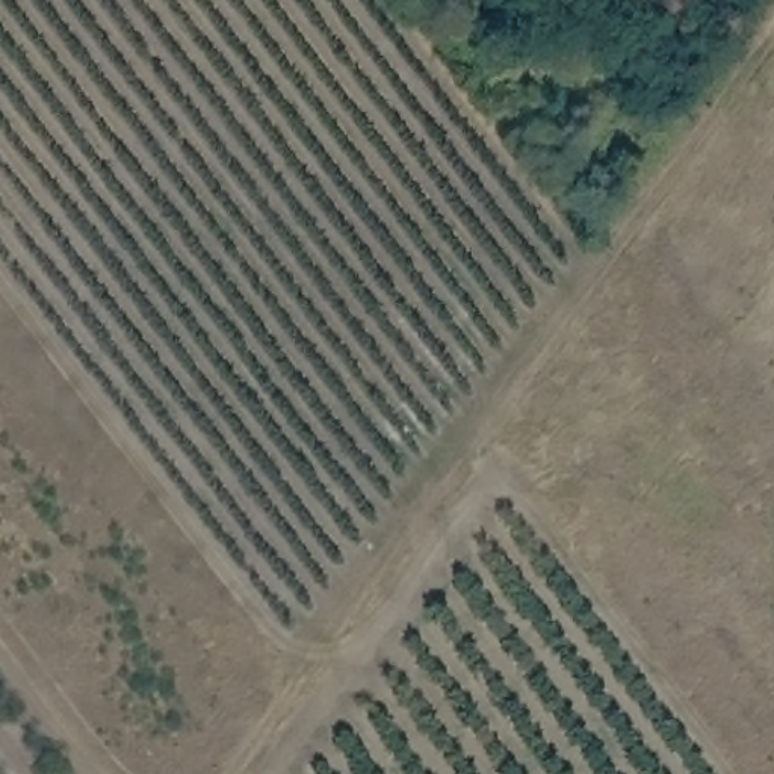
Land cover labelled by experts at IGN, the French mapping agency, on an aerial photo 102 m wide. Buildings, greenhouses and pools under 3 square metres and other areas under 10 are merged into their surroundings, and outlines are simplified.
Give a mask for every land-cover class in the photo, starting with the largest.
<instances>
[{"label":"agricultural land","instance_id":"1","mask_svg":"<svg viewBox=\"0 0 774 774\"><path fill-rule=\"evenodd\" d=\"M695 124L680 133V139L668 148V154L653 172L644 175L638 169L635 190H629L623 215L611 224V245L593 254L568 302L538 333L541 348L517 372L514 384L496 393V405L481 417L478 432L469 441V493L447 511V526L457 535L475 532L478 529L481 508L496 505V499L514 502V508L550 547L559 565L577 581V590L593 602L596 617L617 635L620 647L632 656V665L647 677L656 698L686 726V735L701 747L704 762L717 774H774V6L768 9L765 21L750 39L744 57L726 73V79L714 82L711 106H695ZM79 381L63 378L51 366L36 333H30L18 317H12L0 305V683L24 701V711L12 723L0 726V774H33V753L24 747L21 735L24 723H36L42 735L63 744V753L70 756L76 774H221L227 753L236 750L242 735L248 732V720H257L266 711L269 698L290 680H296L299 674H311L314 662L278 647L266 650V638L248 617V608L230 596V590L209 568L203 550H197L184 538V532L163 508L160 490L154 487L151 475L139 472L127 450H121L103 432L94 411L79 396ZM39 478H48L54 484L60 523L67 526V532L88 535L79 547L60 544L51 526L27 502L24 490ZM109 523H121L124 544L142 550V581L148 584V593L136 605L139 632L148 647L163 653L166 665L175 674V689L181 692L187 714L203 720L200 732L175 729L163 738H151L148 729H139V723H124L121 704H112V695L100 692L103 683L118 674L121 656L130 647L127 641H112L109 653L97 650L109 602L85 587V556L94 547L109 544ZM360 704L354 701V692L339 695L336 714L327 704H314V735L308 738L293 723L278 738V744L263 747L254 756L245 774H339L330 765V759L339 753L336 741L333 726L348 723Z\"/></svg>","mask_w":774,"mask_h":774},{"label":"deciduous trees","instance_id":"2","mask_svg":"<svg viewBox=\"0 0 774 774\"><path fill-rule=\"evenodd\" d=\"M9 12L21 24V30L33 39L42 57L51 63V70L73 91L79 106L88 112V118L97 124L100 136L115 148L124 166L133 172V178L172 221L187 248L203 260L218 287L230 296V302L245 314L260 345L296 384L305 402L314 408V414L324 420V426L366 472V478L387 496L390 481L378 472L369 454L357 447L354 435L317 396L311 381L290 363L278 339L266 330L263 317L242 296L227 269L209 254V248L187 224V218L145 172L139 157L127 148V142L106 124L94 100L60 63L57 51L36 30L27 12L18 6V0H0V15ZM36 9L57 30V36L67 42L73 57L88 70L94 85L133 127V133L151 151L157 166L187 197V203L197 209V215L206 221L215 239L227 248V254L239 263L251 287L263 296V302L272 308V314L296 342V348L311 360L320 378L333 387V393L342 399V405L351 411V417L360 423V429L372 438V444L390 460L396 472L405 469V460L396 450V444L372 423V417L351 396L339 372L327 363L314 342L293 324L290 311L278 302V296L269 290L260 272L245 260L233 236L218 224L215 212L206 209L190 181L169 160V154L142 124L133 106L106 79V73L97 67L91 51L70 30V24L60 18L51 0H33ZM70 9L82 18V24L94 33L100 48L109 54V60L118 67V73L127 79V85L145 100L151 115L163 124V130L172 136L181 154L203 175L215 200L230 212V218L242 227V233L251 239L260 257L281 278L287 293L302 305L317 333L348 363L357 384L372 396L378 411L399 429V438L408 450H417L414 423H408L387 402L384 390L375 381H369L351 348L327 324L311 296L299 287L290 269L257 233V227L248 221V215L239 209V203L230 197V190L221 184V178L212 172L203 154L190 145V139H184L175 118L136 76L130 60L121 54V48L109 39V33L100 27V21L82 0H67ZM121 27V33L133 42L139 57L154 70V76L163 82L172 100L206 136L221 163L248 190L260 215L293 251L299 266L314 278L320 293L330 299V305L339 311V317L348 324L357 342L369 351L372 363L387 375L396 393L417 411V417L429 429L435 426L432 411L402 381V375L378 348L375 336L366 333V327L354 317V311L336 293L324 269L311 260L302 242L269 206L257 181L230 154L224 139L212 130V124L203 118L194 100L169 76L163 60L151 54L148 42L124 15L118 0H100ZM133 6L151 24L157 39L206 94V100L224 118L230 133L254 157V163L290 206L296 221L311 233V239L345 275V281L366 305V311L378 320L384 336L399 348L405 363L420 375V381L441 405H450L447 387L414 354L411 342L393 327L375 293L348 266V260L327 239V233L317 227L308 209L296 200V194L287 187L272 160L260 151L245 124L233 115L227 100L215 91V85L187 57L181 42L166 30L160 15L145 0H133ZM169 12L181 21V27L190 33V39L215 63V70L227 79V85L239 94L245 109L254 115V121L263 127V133L272 139V145L281 151L287 166L299 175V181L308 187V194L317 200L327 218L351 242L366 269L381 281L396 308L435 351V357L444 363V369L463 393H469V378L447 351V345L429 330L423 314L399 293L390 272L375 260L372 248L360 239L354 224L342 215V209H336L320 181L287 145L284 133L269 121L257 97L245 88V82L236 76L227 57L197 27V21L178 0H163ZM203 12L212 18V24L221 30V36L230 42V48L245 60L251 76L263 85L269 100L290 121L296 136L320 160L336 187L351 200L357 215L372 227V233L381 239L390 257L402 266L405 278L414 284V290L426 299V305L438 314L444 330L460 342V348L475 360L478 369H484V354L478 351V345L457 324L444 299L435 296V290L417 272L414 260L396 242L390 227L348 181L342 166L330 157L324 142L311 133L296 106L278 91L272 76L260 67V60L236 36V30L212 0H197ZM236 12L248 21V27L257 33L263 48L272 54V60L281 67V73L317 112V118L342 145V151L354 160L363 178L375 187V194L387 203L396 221L408 230V236L432 263L438 278L460 296L469 317L478 324L490 345H499V333L484 317L475 296L463 287L457 272L429 245L420 224L399 206L393 190L378 178L363 151L351 142V136L333 118L327 103L311 91L305 76L290 63L278 39L266 30V24L245 0H230ZM275 21L287 30L293 45L302 51V57L314 67L324 85L348 109L363 136L387 160V166L396 172V178L405 184L414 203L426 212V218L435 224L450 251L481 281V287L511 327L517 324L514 305L493 284V278L484 272L475 254L460 242L454 227L423 194V187L414 181V175L405 169V163L387 145V139L375 130L369 115L348 97L342 82L330 73V67L320 60V54L311 48V42L302 36V30L278 0H263ZM308 21L317 27V33L327 39L333 54L345 63V70L357 79L366 97L393 124L399 139L411 148L417 163L438 184L444 200L469 224L475 239L490 251L496 266L511 278V284L529 305L535 302V293L523 272L490 236L475 209L457 194L450 178L435 166V160L426 154V145L411 133L402 115L381 97L375 82L351 57V51L333 33L314 0H296ZM330 6L357 36L363 51L375 60V67L387 76L393 91L429 130L441 154L454 163V169L466 178L475 197L487 206L493 221L508 233V239L523 251V257L547 284L553 281V269L541 260L538 248L502 212V206L484 187L481 175L463 160L457 145L447 139L444 127L423 109V103L399 79L393 63L381 54V48L369 39V33L360 27V21L342 0H330ZM369 9V15L381 24L387 39L396 45V51L405 57V63L432 91L435 103L469 139L475 154L490 166V172L508 190L514 206L526 215L532 230L547 242V248L556 257H565L562 239H556L550 224L541 218L538 206L520 190V184L499 163L487 139L472 127V121L457 109L441 82L408 45L405 36L411 27H417L429 36L432 51L447 63L460 88L499 127V136L526 166L535 184L553 200L556 212L568 221L584 251L593 254L611 245V224L623 215L629 190H635L638 169L644 175L653 172L668 154V148L680 139V133L695 124V106H711L714 82L726 79V73L744 57L750 39L765 21L768 9L774 6V0H360ZM9 57L18 63V70L30 79L39 97L48 103V109L57 115L63 130L73 136V142L82 148V154L97 166L109 190L142 224L148 239L163 254V260L203 302L215 324L227 333L239 357L275 399V405L287 414L293 429L314 447L327 472L345 487L357 508L366 517H375V505L345 472V466H339L330 447L314 435V429L302 420L296 405L284 396V390L269 378L266 366L245 345L239 327L209 296L203 281L181 263L163 230L148 218V212L112 172L109 160L97 154L85 130L76 124L73 112L60 103L54 88L42 79V73L30 63L24 48L0 27V63ZM6 97L15 103L30 130L45 142L54 160L79 184L85 200L100 212V218L133 254L136 266L163 293L169 308L184 320L190 336L200 342L203 354L245 399L251 414L269 432V438L287 454L293 469L308 484V490L333 514L339 529L351 541H360V529L354 526L351 514L333 499V493L320 484L305 454L293 447V441L281 432L275 417L257 399V393L239 378L233 363L215 348L209 333L194 317V311L178 299L169 281L145 257L133 233L94 190L79 163L42 124L27 97L0 73V100ZM12 148L39 175L48 194L60 203L70 221L79 227V233L91 242L100 260L121 281V287L133 296L139 311L151 320L160 339L172 348L181 366L190 372V378L200 384V390L215 402L224 420L233 426V432L242 438V444L251 450V457L260 463V469L272 478L278 493L287 499V505L296 511V517L305 523V529L330 553V559L339 562V544L324 532L314 514L296 496V490L284 481L275 460L251 435L242 417L218 393V387L203 375L190 351L169 330L163 314L145 296V290L130 278L118 254L97 233V227L85 218L73 197L60 187V181L21 139ZM12 184L18 190L24 206L39 218L45 233L57 242L63 257L94 290V296L109 308V314L121 324L136 351L154 369V375L178 399V405L209 435V441L242 481V487L257 499L263 514L287 538L302 565L314 574V581L327 584V571L302 544L296 529L284 520V514L275 508V502L266 496V490L257 484V478L248 472V466L227 444L224 432L200 408V402L187 396L172 369L148 345L142 330L127 317V311L97 278V272L73 248L60 224L39 206L30 187L18 178V172H12L0 160V190ZM6 218L9 224H15V236L21 239V245L45 269L54 287L67 296L76 314L85 320V327L94 333L100 348L112 357V363L133 384V390L154 411L160 426L187 454L197 472L206 478V484L218 493L233 520L257 547V553H263L272 571L293 590V596L302 605L311 602V596L305 584L296 577V571L287 565V559H281V553L263 538V532L251 523L242 505L233 499V493L224 487L212 463L184 435L175 417L166 411L163 399L145 384V378L124 357V351L112 342L103 320L76 293L67 275L54 266V260L36 245L27 227L18 224V215L0 206V221ZM12 275L27 290L36 308L54 327V333L63 339V345L94 375L103 393L112 399V405L124 414L127 426L136 432V438L148 447V454L178 487L184 502L224 544L239 571L248 574L251 587L263 596L272 614L281 620V626H290L293 614L269 590L260 571L245 559L236 538L212 514L209 502L190 487V481L169 460V454L157 444V438L145 429L136 408L124 399L115 381L103 372V366L85 351V345L60 317V311L51 305V299L39 290V284L24 272V266L15 257H9L0 248V281ZM502 520L511 526L517 547L532 556L535 571L559 596L562 608L574 617L587 638L605 653L617 680L641 704V711L650 717L665 744L674 753H680L689 774H717L704 762L701 747L686 735V726L656 698L647 677L632 665V656L620 647L617 635L596 617L593 602L577 590V581L559 565L550 547L514 508V502L496 499V505ZM481 556L493 568L505 596L526 620H532L544 644L562 659L577 686L587 692L590 704L602 711V717L614 726L629 762L641 774H671L668 765H662L659 756L644 744L641 732L632 726L629 714L617 704V698L605 692L602 677L565 638L562 626L550 617V608L532 593L523 571L511 562L502 544L484 529H478L475 532ZM457 590L466 596L469 608L496 632L502 650L511 653L517 665L526 671L529 686L559 720L565 735L584 750L593 774H623L614 768L602 738L587 729L571 701L547 677V668L535 659L532 647L496 608L481 577L472 568H466V574H454ZM423 611L444 629L457 653L466 659V665L487 680L493 701L505 717H511L514 729L526 741V747L541 759L547 774H574L571 762L556 753L550 741H544V732L532 720L529 707L505 683L502 671H496L490 659L478 650L475 635L460 626L457 614L444 602L423 605ZM405 647L417 656L420 668L444 689L457 717L469 729H475L499 774H526V765L514 759L508 744L499 741L487 717L478 711L472 692L463 689V683L417 635L405 641ZM381 674L393 686L396 698L411 711L417 729L444 753L454 774H478L475 759L466 756L463 744L444 729L426 695L417 686H411L408 674L393 662H381ZM24 711V701L0 683V726L12 723ZM354 701L360 704H366L372 726L378 729L381 741L396 756L405 774H432L408 747L405 732L393 723L387 704L372 692H354ZM21 735L24 747L33 753V774H76L70 756L63 753V744L42 735L36 723H24ZM339 753L330 759V765L339 774H387L369 756L354 726L336 741Z\"/></svg>","mask_w":774,"mask_h":774},{"label":"herbaceous vegetation","instance_id":"3","mask_svg":"<svg viewBox=\"0 0 774 774\"><path fill-rule=\"evenodd\" d=\"M60 18L70 24V30L91 51L97 67L106 73V79L133 106L142 124L169 154V160L190 181L206 209L215 212L218 224L233 236L245 260L260 272L269 290L278 296V302L290 311L293 324L314 342L327 363L339 372L351 396L372 417V423L396 444V450L405 460V469L396 472L390 460L372 444V438L360 429V423L351 417V411L342 405V399L333 393V387L320 378L311 360L296 348V342L272 314V308L263 302V296L251 287L239 263L227 254V248L215 239L206 221L197 215V209L187 203V197L157 166L151 151L133 133V127L94 85L88 70L73 57L67 42L57 36V30L36 9L33 0H18V6L27 12L36 30L57 51L60 63L94 100L106 124L127 142V148L139 157L145 172L187 218V224L209 248V254L227 269L242 296L263 317L266 330L278 339L290 363L311 381L317 396L354 435L357 447L369 454L378 472L390 481L387 496L366 478V472L324 426V420L314 414V408L305 402L296 384L260 345L245 314L230 302V296L218 287L203 260L187 248L172 221L133 178V172L124 166L115 148L100 136L97 124L88 118V112L79 106L73 91L51 70V63L42 57L33 39L21 30V24L9 12L0 15V27L24 48L30 63L42 73V79L54 88L60 103L73 112L76 124L85 130L97 154L109 160L112 172L148 212V218L163 230L181 263L203 281L209 296L239 327L245 345L266 366L269 378L284 390V396L296 405L302 420L314 429V435L330 447L339 466H345V472L375 505V517H366L357 508L345 487L327 472L314 447L293 429L287 414L275 405V399L239 357L227 333L215 324L203 302L163 260V254L148 239L142 224L109 190L97 166L82 154V148L73 142V136L63 130L57 115L48 109V103L39 97L30 79L18 70V63L9 57L0 63V73L27 97L42 124L79 163L94 190L133 233L145 257L169 281L178 299L194 311V317L209 333L215 348L233 363L239 378L257 393V399L275 417L281 432L293 441V447L305 454L320 484L333 493V499L351 514L354 526L360 529V541H351L339 529L333 514L308 490V484L293 469L287 454L269 438V432L251 414L245 399L203 354L200 342L190 336L184 320L169 308L163 293L136 266L133 254L100 218V212L85 200L79 184L54 160L45 142L30 130L15 103L6 97L0 100V160L12 172H18V178L30 187L39 206L60 224L73 248L97 272V278L127 311V317L142 330L148 345L172 369L187 396L200 402V408L224 432L227 444L248 466V472L257 478V484L266 490V496L275 502V508L284 514V520L296 529L302 544L327 571V584L314 581V574L302 565L287 538L263 514L257 499L242 487V481L209 441V435L178 405V399L154 375V369L136 351L121 324L109 314V308L94 296V290L63 257L57 242L45 233L39 218L24 206L18 190L12 184L0 190V206L18 215V224L27 227L36 245L54 260V266L67 275L76 293L103 320L112 342L124 351V357L145 378V384L163 399L166 411L175 417L184 435L212 463L224 487L233 493V499L242 505L251 523L263 532V538L281 553V559H287V565L296 571V577L305 584L311 596V602L302 605L293 596V590L272 571L263 553H257V547L233 520L218 493L206 484V478L197 472L187 454L160 426L154 411L133 390V384L112 363V357L100 348L94 333L85 327V320L76 314L67 296L54 287L45 269L21 245V239L15 236V224H9L6 218L0 221V248L9 257H15L24 266V272L39 284V290L51 299V305L60 311V317L85 345V351L103 366V372L115 381L124 399L136 408L145 429L157 438V444L169 454V460L190 481V487L209 502L212 514L236 538L245 559L260 571L269 590L293 614L290 626H281V620L272 614L263 596L251 587L248 574L239 571L224 544L184 502L178 487L148 454V447L136 438V432L127 426L124 414L112 405V399L103 393L94 375L63 345V339L54 333V327L36 308L27 290L12 275L0 281V305L12 317H18L30 333H36L51 366L63 378L79 381V396L94 411L103 432L121 450H127L139 472L151 475L154 487L160 490L163 508L184 532V538L197 550H203L209 568L230 590V596L248 608V617L266 638V650L278 647L314 662L311 674H299L296 680H290L269 698L266 711L257 720H248V732L242 735L236 750L227 753L221 774H245L254 756L263 747L278 744V738L293 723L308 738L314 735V704H327L336 714L339 695L354 692H372L387 704L393 723L405 732L408 747L432 774H454L444 753L417 729L411 711L396 698L393 686L381 674V662H393L408 674L411 686H417L426 695L444 729L463 744L466 756L475 759L478 774H499L475 729H469L457 717L444 689L420 668L417 656L405 647V641L417 635L463 683V689L472 692L478 711L487 717L499 741L508 744L514 759L526 765V774H547L541 759L526 747V741L514 729L511 717H505L493 701L487 680L466 665V659L457 653L444 629L423 611V605L444 602L457 614L460 626L475 635L478 650L490 659L496 671H502L505 683L529 707L532 720L544 732V741H550L556 753L571 762L574 774H593L584 750L565 735L559 720L529 686L526 671L517 665L511 653L502 650L496 632L469 608L466 596L457 590L454 574H466V568H472L481 577L496 608L532 647L535 659L547 668V677L571 701L587 729L602 738L614 768L623 774H641L629 762L614 726L602 717V711L590 704L587 692L577 686L562 659L544 644L532 620H526L505 596L493 568L481 556L475 532L457 535L447 526V511L469 493V441L478 432L481 417L496 405V393L514 384L517 372L541 348L538 333L568 302L593 254L584 251L568 221L556 212L553 200L535 184L526 166L499 136V127L460 88L447 63L432 51L429 36L417 27H411L405 36L408 45L441 82L457 109L472 121V127L487 139L499 163L520 184V190L538 206L541 218L550 224L556 239H562L565 257H556L547 248V242L532 230L526 215L514 206L508 190L490 172V166L475 154L469 139L435 103L432 91L405 63V57L396 51V45L387 39L381 24L369 15V9L360 0H342L360 21V27L369 33V39L381 48V54L393 63L399 79L423 103V109L444 127L447 139L457 145L463 160L481 175L484 187L502 206V212L538 248L541 260L553 269V281L547 284L523 257V251L508 239V233L493 221L487 206L475 197L466 178L454 169V163L441 154L429 130L393 91L387 76L375 67V60L363 51L357 36L330 6V0H314L333 33L351 51V57L375 82L381 97L402 115L411 133L426 145V154L435 160V166L450 178L457 194L475 209L490 236L523 272L535 293V302L529 305L511 284V278L496 266L490 251L475 239L469 224L444 200L438 184L417 163L411 148L399 139L393 124L366 97L357 79L345 70V63L333 54L327 39L317 33V27L308 21L296 0H278L302 30V36L311 42V48L320 54V60L330 67V73L342 82L348 97L369 115L375 130L387 139V145L405 163V169L414 175V181L423 187V194L454 227L460 242L475 254L484 272L493 278V284L514 305L517 324L511 327L481 287V281L450 251L435 224L426 218V212L414 203L405 184L396 178V172L387 166V160L363 136L348 109L324 85L314 67L302 57V51L293 45L287 30L275 21L263 0H245L266 24V30L278 39L290 63L305 76L311 91L327 103L333 118L351 136V142L363 151L378 178L393 190L399 206L420 224L429 245L457 272L463 287L475 296L484 317L499 333V345H490L478 324L469 317L460 296L438 278L432 263L408 236V230L396 221L387 203L375 194V187L363 178L354 160L342 151V145L317 118V112L281 73V67L272 60V54L263 48L257 33L248 27V21L236 12L230 0H212L236 30V36L260 60V67L272 76L278 91L296 106L311 133L324 142L330 157L342 166L348 181L390 227L396 242L414 260L417 272L435 290V296L444 299L457 324L478 345V351L484 354V369H478L475 360L460 348V342L444 330L438 314L426 305V299L414 290V284L405 278L402 266L390 257L381 239L372 233V227L357 215L351 200L336 187L320 160L296 136L290 121L269 100L263 85L251 76L245 60L230 48V42L221 36V30L212 24V18L203 12L197 0H178L197 21V27L227 57L236 76L245 82V88L257 97L269 121L284 133L287 145L320 181L336 209H342V215L354 224L360 239L372 248L375 260L390 272L399 293L423 314L429 330L447 345V351L469 378V393H463L444 369V363L435 357V351L396 308L381 281L366 269L351 242L327 218L317 200L308 194V187L299 181V175L287 166L281 151L272 145V139L263 133V127L254 121V115L245 109L239 94L227 85V79L215 70V63L190 39V33L181 27V21L169 12L163 0H145L160 15L166 30L181 42L187 57L215 85V91L227 100L233 115L245 124L260 151L272 160L287 187L296 194V200L308 209L317 227L327 233V239L348 260V266L375 293L393 327L411 342L414 354L447 387L450 405H441L420 381V375L405 363L399 348L384 336L378 320L366 311V305L345 281V275L311 239V233L296 221L290 206L254 163V157L230 133L224 118L206 100V94L157 39L151 24L133 6V0H118L124 15L148 42L151 54L163 60L169 76L194 100L203 118L212 124V130L224 139L230 154L257 181L269 206L302 242L311 260L324 269L336 293L354 311V317L366 327V333L375 336L378 348L402 375V381L432 411L435 426L429 429L417 417V411L396 393L387 375L372 363L369 351L357 342L348 324L339 317V311L330 305V299L320 293L314 278L299 266L293 251L260 215L248 190L221 163L206 136L172 100L163 82L154 76V70L139 57L133 42L121 33V27L100 0H82L100 21V27L109 33V39L121 48V54L130 60L136 76L175 118L184 139H190V145L203 154L212 172L221 178V184L230 190V197L239 203V209L248 215V221L257 227V233L290 269L299 287L311 296L327 324L351 348L369 381H375L384 390L387 402L408 423H414L417 450H408L399 438V429L378 411L372 396L357 384L348 363L317 333L302 305L287 293L281 278L260 257L251 239L242 233V227L230 218V212L215 200L203 175L181 154L172 136L163 130V124L151 115L145 100L127 85V79L118 73V67L109 60V54L100 48L94 33L82 24V18L70 9L67 0H51ZM21 139L60 181V187L73 197L85 218L97 227V233L118 254L130 278L145 290V296L163 314L169 330L190 351L203 375L218 387V393L242 417L251 435L275 460L284 481L296 490V496L314 514L324 532L339 544V562L330 559V553L305 529V523L296 517V511L287 505V499L278 493L272 478L260 469V463L251 457V450L242 444V438L233 432V426L224 420L215 402L200 390V384L190 378V372L181 366L172 348L160 339L151 320L139 311L133 296L121 287V281L100 260L91 242L79 233V227L70 221L60 203L48 194L39 175L12 148ZM478 529H484L502 544L511 562L523 571L532 593L550 608V617L562 626L565 638L602 677L605 692L617 698V704L629 714L632 726L641 732L644 744L659 756L662 765H668L671 774H689L680 753H674L665 744L650 717L641 711V704L617 680L605 653L587 638L574 617L562 608L559 596L535 571L532 556L517 547L511 526L502 520L496 505L481 508ZM354 726L369 756L387 774H405L396 756L381 741L378 729L372 726L366 704H360L348 723L333 726L336 741Z\"/></svg>","mask_w":774,"mask_h":774},{"label":"brushwood","instance_id":"4","mask_svg":"<svg viewBox=\"0 0 774 774\"><path fill-rule=\"evenodd\" d=\"M27 502L51 526L60 544L79 547L88 535L67 532V526L60 523L54 484L48 478H39L24 490ZM142 550L124 544L121 523H109V544L94 547L85 556V587L109 602L97 650L109 653L112 641H127L130 647L121 656L118 674L103 683L100 692L112 695V704H121L124 723H139V729H148L151 738H163L175 729L200 732L203 720L187 714L181 692L175 689V674L166 665L163 653L148 647L139 632L136 605L148 593V584L142 581Z\"/></svg>","mask_w":774,"mask_h":774}]
</instances>
